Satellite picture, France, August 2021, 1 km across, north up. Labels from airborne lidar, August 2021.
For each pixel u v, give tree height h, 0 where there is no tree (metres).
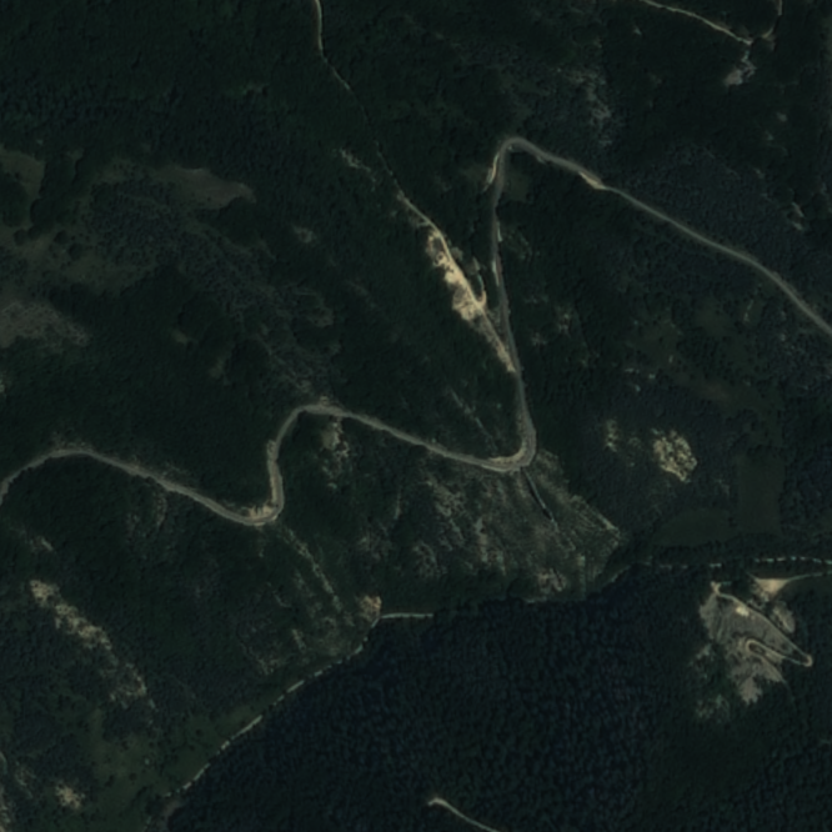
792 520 8
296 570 7
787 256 12
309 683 8
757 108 16
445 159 10
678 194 14
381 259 7
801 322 6
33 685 12
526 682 23
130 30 24
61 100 18
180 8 22
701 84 17
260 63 20
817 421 17
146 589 6
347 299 13
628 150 18
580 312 14
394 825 17
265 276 10
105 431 16
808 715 9
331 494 10
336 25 12
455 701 22
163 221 11
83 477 19
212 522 14
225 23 21
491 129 18
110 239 10
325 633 6
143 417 15
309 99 23
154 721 7
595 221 14
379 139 19
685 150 13
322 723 25
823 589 0
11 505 20
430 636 18
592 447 9
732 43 13
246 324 11
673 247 11
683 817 21
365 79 17
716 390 0
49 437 11
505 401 10
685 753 17
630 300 12
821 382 8
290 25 19
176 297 19
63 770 6
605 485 13
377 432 7
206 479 14
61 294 12
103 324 15
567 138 11
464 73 15
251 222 12
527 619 24
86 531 17
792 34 15
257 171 20
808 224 6
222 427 12
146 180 7
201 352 17
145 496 12
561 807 21
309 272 16
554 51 16
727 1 11
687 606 14
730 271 18
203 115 16
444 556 9
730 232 14
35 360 12
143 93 23
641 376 11
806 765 25
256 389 12
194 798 16
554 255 16
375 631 11
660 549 8
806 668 8
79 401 16
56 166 19
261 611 13
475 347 11
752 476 0
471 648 18
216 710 8
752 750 15
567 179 13
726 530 0
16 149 11
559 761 19
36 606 7
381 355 14
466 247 13
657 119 17
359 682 16
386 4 15
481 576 9
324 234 11
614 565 16
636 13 16
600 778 20
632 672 28
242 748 17
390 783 18
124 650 9
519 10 17
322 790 18
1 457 18
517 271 15
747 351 7
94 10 23
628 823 21
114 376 15
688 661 9
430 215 13
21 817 9
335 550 6
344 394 14
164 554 8
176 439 16
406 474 9
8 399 14
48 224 21
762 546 7
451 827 9
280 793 24
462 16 13
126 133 18
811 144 11
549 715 11
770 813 20
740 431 11
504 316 0
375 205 7
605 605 18
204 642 11
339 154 6
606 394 13
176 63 23
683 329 9
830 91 8
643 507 8
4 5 14
